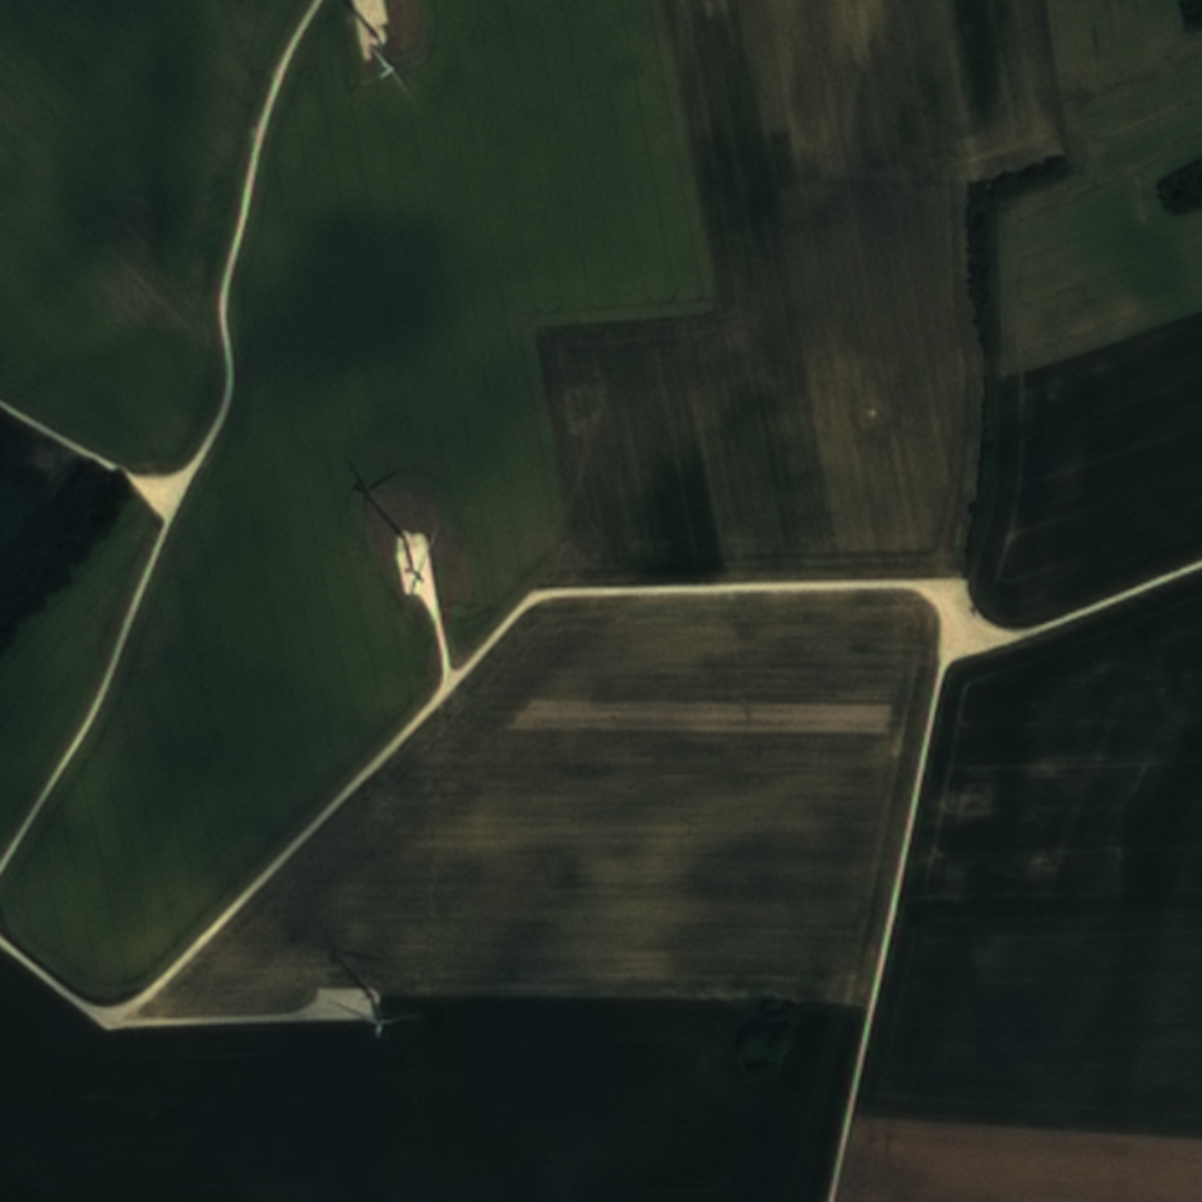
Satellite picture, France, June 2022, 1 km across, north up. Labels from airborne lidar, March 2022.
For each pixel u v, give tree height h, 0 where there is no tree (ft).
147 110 0
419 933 0
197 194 0
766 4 0
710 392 0
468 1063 0
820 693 0
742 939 0
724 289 0
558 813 0
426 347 0
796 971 0
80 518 48
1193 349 0
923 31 0
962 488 0
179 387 0
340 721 0
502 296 0
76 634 0
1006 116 0
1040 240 0
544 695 0
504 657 0
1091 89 0
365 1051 0
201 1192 0
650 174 0
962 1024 0
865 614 0
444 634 0
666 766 0
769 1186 0
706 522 0
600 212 0
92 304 0
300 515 0
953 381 0
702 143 0
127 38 0
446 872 0
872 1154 0
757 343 0
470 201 0
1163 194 28
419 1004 0
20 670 0
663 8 0
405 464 0
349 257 0
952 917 0
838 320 0
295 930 0
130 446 0
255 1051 0
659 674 0
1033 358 0
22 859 0
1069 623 0
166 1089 0
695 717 0
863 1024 0
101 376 0
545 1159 0
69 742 0
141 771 0
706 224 0
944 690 0
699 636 0
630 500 0
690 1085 0
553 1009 0
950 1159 0
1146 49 0
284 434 0
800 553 0
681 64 0
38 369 0
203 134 0
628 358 0
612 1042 0
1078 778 0
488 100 0
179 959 0
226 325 0
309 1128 0
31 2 0
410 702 0
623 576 0
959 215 0
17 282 0
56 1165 0
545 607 0
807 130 0
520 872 0
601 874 0
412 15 0
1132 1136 0
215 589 0
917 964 0
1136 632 0
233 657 0
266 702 0
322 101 0
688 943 0
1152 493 0
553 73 0
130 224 0
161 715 0
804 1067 0
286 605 0
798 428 0
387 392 0
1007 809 0
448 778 0
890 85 0
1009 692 0
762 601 0
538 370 0
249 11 0
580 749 0
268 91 0
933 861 0
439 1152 0
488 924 0
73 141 0
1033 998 0
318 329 0
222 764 0
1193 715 0
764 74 0
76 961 0
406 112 0
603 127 0
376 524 0
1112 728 0
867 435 0
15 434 0
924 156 0
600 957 0
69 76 0
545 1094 0
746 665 0
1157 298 0
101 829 0
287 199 0
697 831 0
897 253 0
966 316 0
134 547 0
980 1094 0
